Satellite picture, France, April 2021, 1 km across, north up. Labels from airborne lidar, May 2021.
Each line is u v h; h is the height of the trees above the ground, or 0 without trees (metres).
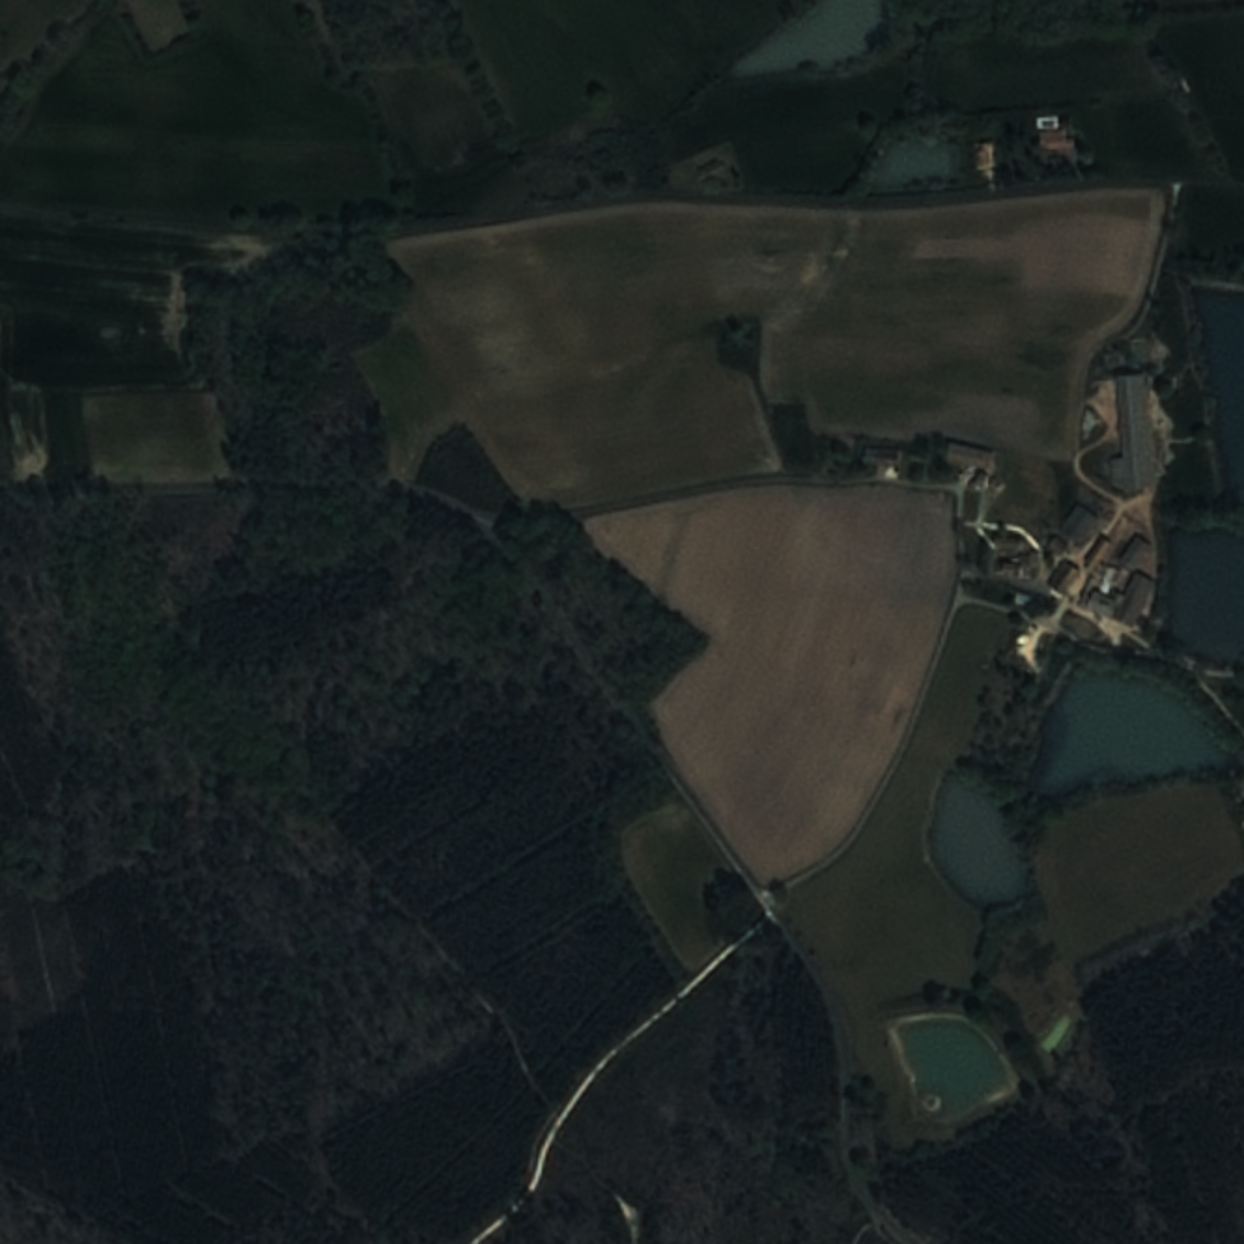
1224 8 7
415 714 19
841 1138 11
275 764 13
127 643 20
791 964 15
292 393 11
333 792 13
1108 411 0
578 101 0
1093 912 0
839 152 0
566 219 0
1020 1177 9
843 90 0
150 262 0
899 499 0
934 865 0
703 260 0
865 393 0
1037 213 0
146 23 0
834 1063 12
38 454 0
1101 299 0
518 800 14
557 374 0
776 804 0
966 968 0
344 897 20
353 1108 13
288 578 16
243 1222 12
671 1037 6
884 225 0
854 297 0
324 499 21
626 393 0
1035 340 0
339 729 14
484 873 15
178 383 0
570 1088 16
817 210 0
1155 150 0
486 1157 17
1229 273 9
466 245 0
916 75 8
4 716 11
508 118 9
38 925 0
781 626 0
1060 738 0
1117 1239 6
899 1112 0
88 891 8
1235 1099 8
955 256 0
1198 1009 14
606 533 0
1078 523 0
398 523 18
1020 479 0
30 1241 11
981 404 0
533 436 0
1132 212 0
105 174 0
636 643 8
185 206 0
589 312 0
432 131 0
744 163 0
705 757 0
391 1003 20
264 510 10
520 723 17
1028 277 0
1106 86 0
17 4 0
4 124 14
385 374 0
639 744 13
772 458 0
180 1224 10
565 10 0
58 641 13
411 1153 18
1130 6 20
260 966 14
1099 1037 13
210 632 12
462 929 12
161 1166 11
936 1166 9
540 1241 20
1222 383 0
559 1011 14
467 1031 11
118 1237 11
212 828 13
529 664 16
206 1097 10
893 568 0
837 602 0
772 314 0
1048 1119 11
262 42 0
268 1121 14
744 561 0
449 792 16
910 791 0
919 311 0
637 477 0
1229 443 0
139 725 15
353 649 19
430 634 16
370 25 16
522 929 13
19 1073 10
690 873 0
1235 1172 6
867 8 0
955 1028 0
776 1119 14
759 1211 9
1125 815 0
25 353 0
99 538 18
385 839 12
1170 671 20
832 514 0
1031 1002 0
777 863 0
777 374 0
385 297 21
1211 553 0
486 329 0
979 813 0
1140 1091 17
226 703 16
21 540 23
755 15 0
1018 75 0
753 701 0
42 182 0
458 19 18
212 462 0
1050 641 0
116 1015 8
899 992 0
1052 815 15
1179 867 0
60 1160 10
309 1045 25
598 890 16
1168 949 10
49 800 7
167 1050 10
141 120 0
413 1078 12
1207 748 0
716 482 0
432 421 0
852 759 0
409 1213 18
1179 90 12
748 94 0
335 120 0
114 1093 10
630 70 0
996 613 0
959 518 0
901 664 0
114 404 0
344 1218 8
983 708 8
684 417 0
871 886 0
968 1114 0
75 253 0
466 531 18
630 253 0
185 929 20
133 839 25
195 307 11
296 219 20
